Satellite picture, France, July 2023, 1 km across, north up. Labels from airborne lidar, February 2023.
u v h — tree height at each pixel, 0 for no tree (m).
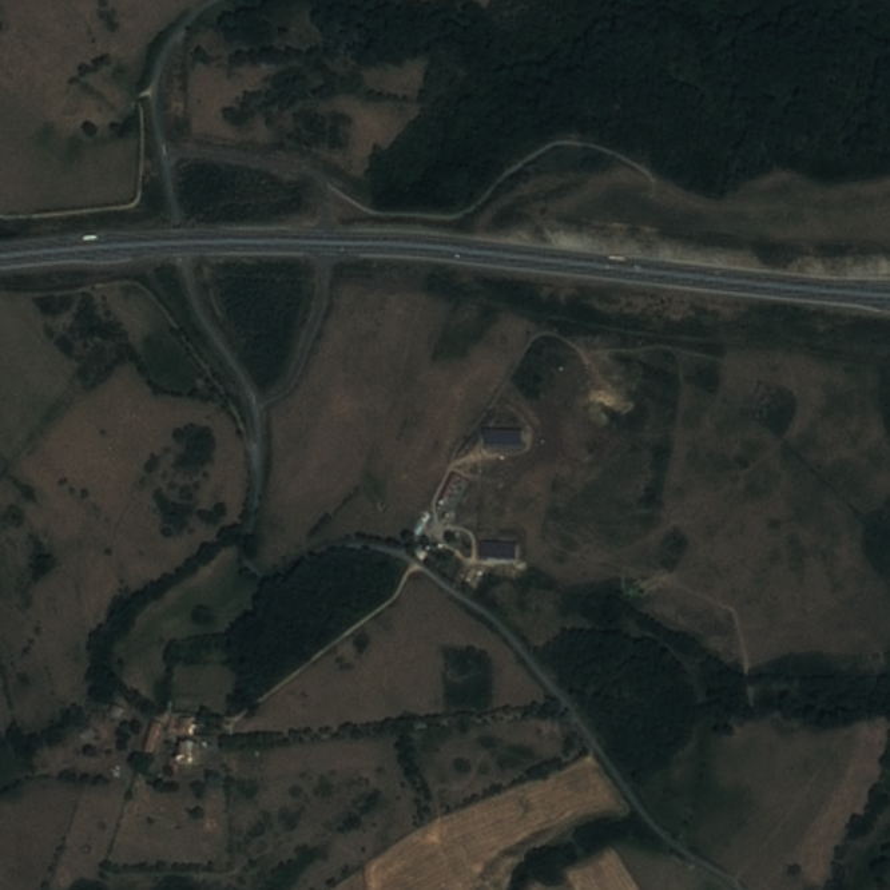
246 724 0
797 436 0
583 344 0
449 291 6
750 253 0
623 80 16
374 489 0
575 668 11
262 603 19
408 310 0
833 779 0
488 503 0
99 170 0
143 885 0
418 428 0
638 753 15
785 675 7
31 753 18
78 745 0
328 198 0
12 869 0
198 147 0
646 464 0
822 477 0
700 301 0
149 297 0
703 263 0
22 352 0
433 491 0
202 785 8
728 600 0
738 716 19
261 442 0
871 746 0
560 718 19
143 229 0
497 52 25
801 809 0
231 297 7
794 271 0
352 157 0
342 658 0
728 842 0
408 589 0
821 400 0
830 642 0
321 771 0
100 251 0
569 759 14
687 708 11
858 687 16
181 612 0
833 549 0
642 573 0
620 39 18
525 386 6
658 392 0
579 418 0
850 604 0
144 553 0
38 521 0
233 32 17
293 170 0
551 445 0
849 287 0
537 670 0
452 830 0
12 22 0
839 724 14
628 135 6
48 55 0
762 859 0
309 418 0
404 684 0
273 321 7
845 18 25
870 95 10
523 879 6
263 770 0
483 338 0
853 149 15
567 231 0
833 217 0
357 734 14
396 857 0
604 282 0
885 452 0
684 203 0
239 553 0
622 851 0
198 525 0
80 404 0
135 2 0
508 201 0
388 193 11
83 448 0
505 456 0
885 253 0
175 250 0
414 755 14
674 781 0
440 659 0
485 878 0
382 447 0
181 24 0
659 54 18
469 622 0
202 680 0
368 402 0
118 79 0
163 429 0
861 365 0
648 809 0
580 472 0
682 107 13
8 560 0
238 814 0
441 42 12
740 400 0
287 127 0
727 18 19
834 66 20
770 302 0
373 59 18
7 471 0
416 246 0
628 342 0
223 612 0
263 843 0
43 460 0
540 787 0
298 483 0
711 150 8
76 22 0
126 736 14
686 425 0
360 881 0
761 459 0
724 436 0
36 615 0
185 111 0
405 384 0
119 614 15
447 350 0
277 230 0
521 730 0
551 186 0
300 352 0
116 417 0
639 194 0
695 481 0
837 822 0
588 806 0
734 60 23
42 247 0
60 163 0
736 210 0
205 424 0
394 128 0
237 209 6
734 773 0
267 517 0
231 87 0
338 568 17
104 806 0
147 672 0
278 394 0
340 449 0
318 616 13
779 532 0
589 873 0
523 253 0
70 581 0
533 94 22
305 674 0
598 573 0
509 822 0
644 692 11
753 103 22
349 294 0
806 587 0
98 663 10
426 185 11
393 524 0
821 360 0
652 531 0
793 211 0
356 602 13
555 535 0
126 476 0
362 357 0
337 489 0
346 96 0
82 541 0
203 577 0
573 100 11
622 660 10
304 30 0
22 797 0
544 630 0
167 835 0
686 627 0
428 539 10
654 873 0
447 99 7
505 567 0
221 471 0
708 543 0
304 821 0
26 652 7
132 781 0
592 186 0
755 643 0
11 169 0
